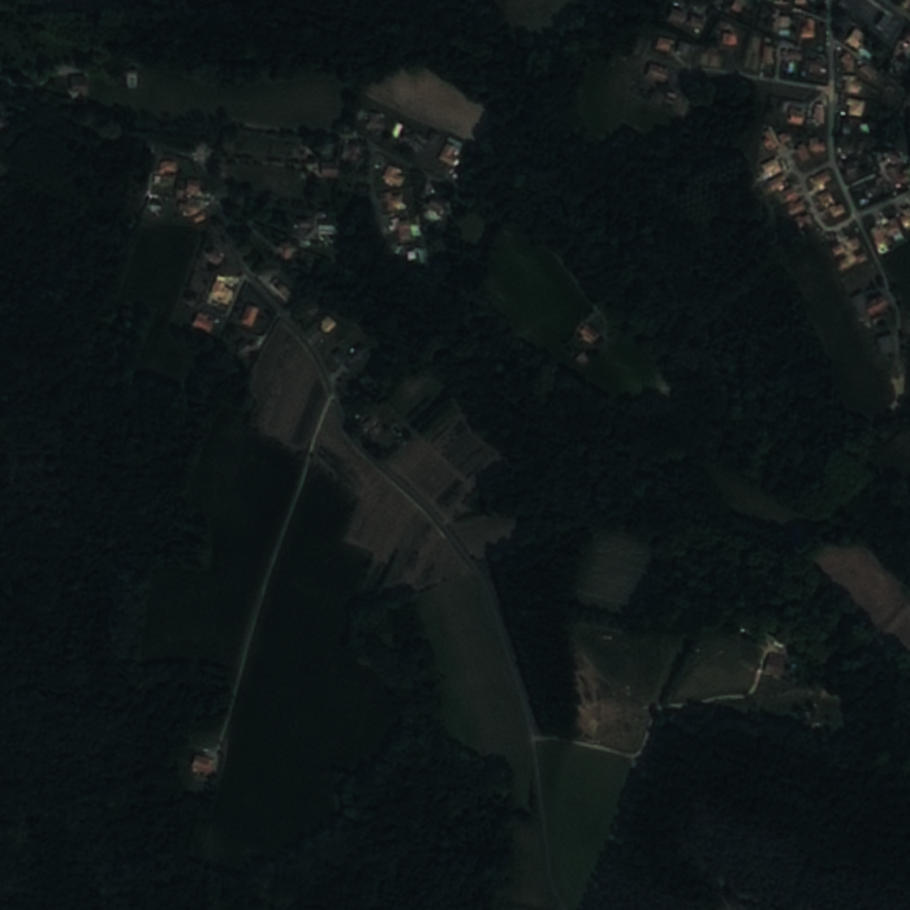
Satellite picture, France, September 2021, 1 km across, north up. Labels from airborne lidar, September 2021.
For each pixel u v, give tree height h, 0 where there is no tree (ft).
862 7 0
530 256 0
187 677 54
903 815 84
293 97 0
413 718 74
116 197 100
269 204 41
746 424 76
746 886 57
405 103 0
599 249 101
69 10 89
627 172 70
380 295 69
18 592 94
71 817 63
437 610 0
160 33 106
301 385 0
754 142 0
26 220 52
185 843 37
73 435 82
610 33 62
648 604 84
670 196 71
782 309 38
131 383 37
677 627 63
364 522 0
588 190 73
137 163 86
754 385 83
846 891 68
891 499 72
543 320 0
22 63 0
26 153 31
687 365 74
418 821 70
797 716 25
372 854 79
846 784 90
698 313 90
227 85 52
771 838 62
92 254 96
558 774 0
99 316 69
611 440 80
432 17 91
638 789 63
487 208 41
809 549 106
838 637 69
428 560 0
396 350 81
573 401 98
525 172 79
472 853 70
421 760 80
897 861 78
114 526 45
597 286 84
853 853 69
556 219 88
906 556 85
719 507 56
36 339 67
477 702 0
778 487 75
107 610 39
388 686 40
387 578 23
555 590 75
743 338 89
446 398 35
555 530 77
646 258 87
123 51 68
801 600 77
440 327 98
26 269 45
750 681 0
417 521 0
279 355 0
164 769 41
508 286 0
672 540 98
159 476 37
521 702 0
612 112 0
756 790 64
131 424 71
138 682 61
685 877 70
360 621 72
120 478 49
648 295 104
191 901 41
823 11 28
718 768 70
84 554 54
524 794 0
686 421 66
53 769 68
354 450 0
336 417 0
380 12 60
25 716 70
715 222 107
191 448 34
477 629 0
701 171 97
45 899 47
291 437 0
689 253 89
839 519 41
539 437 93
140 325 68
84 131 35
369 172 32
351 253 83
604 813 0
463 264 55
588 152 83
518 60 51
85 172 87
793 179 0
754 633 74
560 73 86
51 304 85
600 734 0
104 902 26
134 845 24
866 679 69
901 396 0
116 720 71
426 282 66
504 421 93
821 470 91
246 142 0
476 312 86
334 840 74
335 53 79
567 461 83
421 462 0
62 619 44
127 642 20
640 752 0
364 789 76
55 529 70
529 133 68
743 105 56
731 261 69
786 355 39
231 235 30
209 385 75
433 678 23
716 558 64
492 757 0
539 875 0
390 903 67
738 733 94
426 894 72
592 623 50
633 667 0
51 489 39
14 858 81
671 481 63
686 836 63
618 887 67
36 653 76
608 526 60
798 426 71
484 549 0
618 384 0
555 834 0
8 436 58
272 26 78
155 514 31
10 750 71
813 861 55
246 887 71
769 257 86
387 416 0
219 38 90
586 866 0
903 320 0
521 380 92
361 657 59
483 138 60
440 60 63
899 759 96
